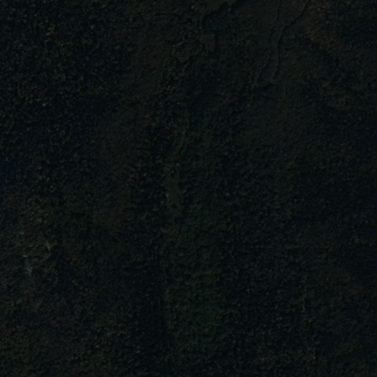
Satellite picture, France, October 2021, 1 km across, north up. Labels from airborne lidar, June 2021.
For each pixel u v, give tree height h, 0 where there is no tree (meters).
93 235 20
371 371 19
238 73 29
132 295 21
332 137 28
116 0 21
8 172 29
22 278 12
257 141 18
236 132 15
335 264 29
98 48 8
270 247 22
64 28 17
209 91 35
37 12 14
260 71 17
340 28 22
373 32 26
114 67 13
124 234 18
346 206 23
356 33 27
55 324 24
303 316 22
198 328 22
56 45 22
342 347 20
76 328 22
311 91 28
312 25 17
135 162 28
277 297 24
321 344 26
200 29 23
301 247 18
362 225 26
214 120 26
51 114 16
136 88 27
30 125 11
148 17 15
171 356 32
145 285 25
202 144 26
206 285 21
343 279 17
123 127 21
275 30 12
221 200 30
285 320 25
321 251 25
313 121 24
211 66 25
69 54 15
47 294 20
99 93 16
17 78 22
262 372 22
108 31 11
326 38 16
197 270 25
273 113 21
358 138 26
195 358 28
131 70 14
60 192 17
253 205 17
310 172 29
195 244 16
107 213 19
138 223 19
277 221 17
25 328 18
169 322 28
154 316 28
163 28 20
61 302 18
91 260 18
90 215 18
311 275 21
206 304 27
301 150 25
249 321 27
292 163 31
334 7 17
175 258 22
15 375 22
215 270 27
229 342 27
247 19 22
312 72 16
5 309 27
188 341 26
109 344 20
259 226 27
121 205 20
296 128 21
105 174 16
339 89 21
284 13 12
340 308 24
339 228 23
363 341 24
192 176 19
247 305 19
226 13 25
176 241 27
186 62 19
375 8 23
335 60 11
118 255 22
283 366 24
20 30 20
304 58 29
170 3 22
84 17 19
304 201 33
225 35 30
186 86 30
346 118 23
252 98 10
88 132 16
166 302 22
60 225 23
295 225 23
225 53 27
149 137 23
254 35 20
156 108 26
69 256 18
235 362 22
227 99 30
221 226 29
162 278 25
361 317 23
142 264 22
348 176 25
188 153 11
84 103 12
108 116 16
